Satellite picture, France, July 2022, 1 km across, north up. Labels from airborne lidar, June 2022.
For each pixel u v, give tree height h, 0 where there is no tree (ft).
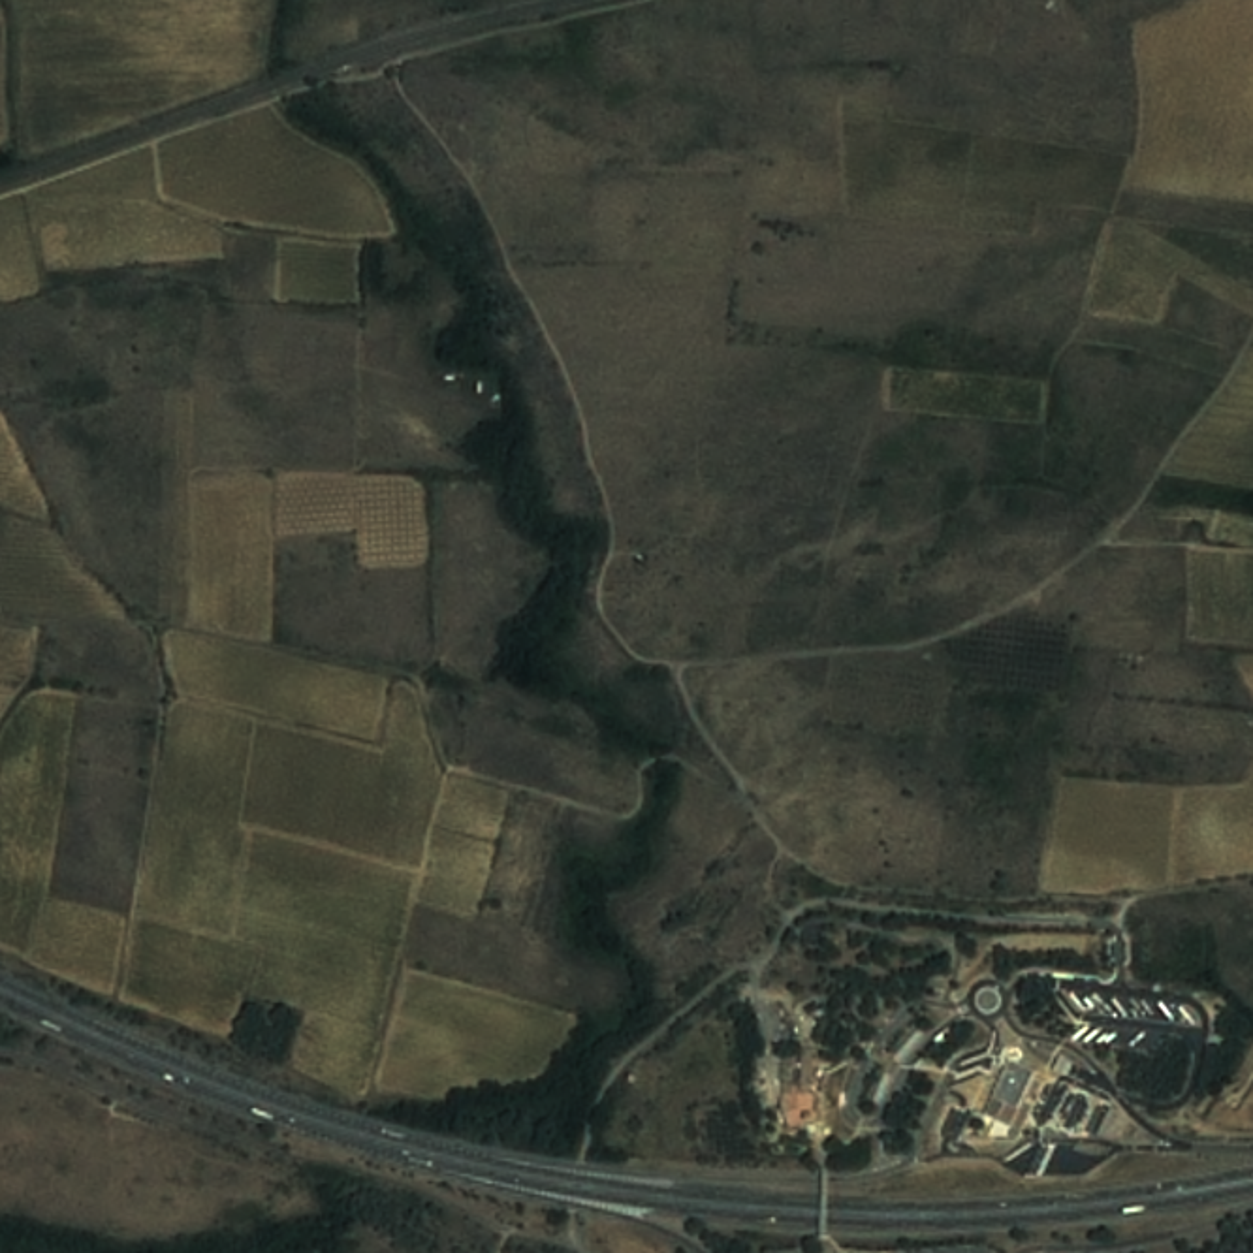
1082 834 0
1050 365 0
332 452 0
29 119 0
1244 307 0
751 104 0
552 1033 0
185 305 0
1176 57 0
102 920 0
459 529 0
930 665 0
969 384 0
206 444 0
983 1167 0
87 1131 0
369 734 0
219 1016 0
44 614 0
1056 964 37
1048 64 0
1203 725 0
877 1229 0
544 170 0
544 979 0
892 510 0
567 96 0
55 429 0
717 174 0
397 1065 0
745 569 0
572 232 0
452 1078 0
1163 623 0
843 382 0
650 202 0
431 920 0
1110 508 0
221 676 0
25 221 0
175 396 0
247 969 0
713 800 0
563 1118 45
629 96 0
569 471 0
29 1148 0
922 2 0
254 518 0
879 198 0
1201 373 0
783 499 0
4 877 0
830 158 0
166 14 0
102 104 0
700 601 0
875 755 0
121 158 0
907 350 0
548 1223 24
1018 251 0
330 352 0
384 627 0
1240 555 0
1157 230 0
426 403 0
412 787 0
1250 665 0
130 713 0
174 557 0
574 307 0
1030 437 0
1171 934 0
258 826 0
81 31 0
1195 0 0
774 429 0
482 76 0
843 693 0
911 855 0
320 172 0
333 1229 42
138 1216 0
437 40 0
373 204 0
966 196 0
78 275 0
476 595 0
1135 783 0
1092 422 0
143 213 0
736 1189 0
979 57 0
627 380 0
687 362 0
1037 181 0
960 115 0
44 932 0
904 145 0
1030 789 0
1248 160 0
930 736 0
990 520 0
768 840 0
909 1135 41
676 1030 21
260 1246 39
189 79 0
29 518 0
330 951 0
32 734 0
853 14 0
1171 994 0
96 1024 0
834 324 0
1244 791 0
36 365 19
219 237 0
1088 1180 0
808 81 0
